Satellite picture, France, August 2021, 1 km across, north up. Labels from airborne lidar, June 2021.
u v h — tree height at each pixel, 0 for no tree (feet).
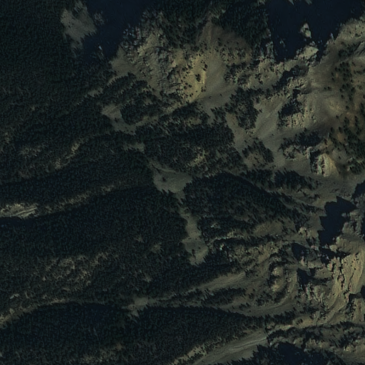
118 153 29
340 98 0
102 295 43
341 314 0
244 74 0
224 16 26
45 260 49
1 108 56
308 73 0
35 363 45
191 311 44
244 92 51
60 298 32
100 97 29
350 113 0
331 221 0
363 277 0
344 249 0
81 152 62
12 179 74
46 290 52
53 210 37
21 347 36
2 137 26
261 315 0
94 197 28
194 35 31
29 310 0
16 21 51
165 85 0
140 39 0
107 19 22
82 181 41
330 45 0
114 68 0
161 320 54
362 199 0
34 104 63
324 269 0
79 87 43
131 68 0
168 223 43
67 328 48
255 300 0
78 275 30
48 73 73
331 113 0
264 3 0
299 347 0
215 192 36
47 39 61
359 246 0
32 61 38
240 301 0
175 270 58
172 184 0
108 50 18
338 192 0
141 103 41
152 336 53
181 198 0
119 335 72
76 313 61
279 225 0
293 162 0
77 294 48
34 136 56
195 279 46
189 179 0
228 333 32
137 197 29
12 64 50
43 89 46
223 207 47
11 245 51
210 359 0
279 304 0
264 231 0
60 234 52
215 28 0
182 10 48
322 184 0
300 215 36
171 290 42
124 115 72
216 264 29
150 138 42
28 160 35
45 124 63
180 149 25
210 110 0
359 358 0
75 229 58
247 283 0
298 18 0
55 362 30
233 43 0
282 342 0
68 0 29
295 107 25
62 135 51
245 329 22
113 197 30
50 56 59
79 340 54
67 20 0
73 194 30
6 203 28
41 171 63
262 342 0
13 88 52
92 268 38
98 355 25
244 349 0
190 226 0
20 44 49
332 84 0
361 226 0
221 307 0
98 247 49
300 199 0
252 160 0
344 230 0
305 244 0
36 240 54
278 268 0
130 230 41
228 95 0
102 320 65
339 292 0
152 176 31
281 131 0
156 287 40
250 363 18
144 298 0
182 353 35
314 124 0
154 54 0
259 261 0
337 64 0
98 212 40
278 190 0
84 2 29
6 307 49
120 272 43
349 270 0
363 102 0
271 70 26
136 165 40
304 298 0
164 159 49
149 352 36
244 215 35
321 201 0
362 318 0
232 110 23
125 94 43
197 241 0
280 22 31
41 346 53
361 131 43
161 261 53
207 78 0
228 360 0
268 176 35
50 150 18
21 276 51
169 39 38
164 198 70
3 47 59
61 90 53
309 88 0
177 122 35
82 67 41
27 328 73
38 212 31
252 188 20
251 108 18
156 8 23
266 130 0
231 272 29
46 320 75
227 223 25
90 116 52
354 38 0
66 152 37
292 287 0
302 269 0
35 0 36
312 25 0
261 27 49
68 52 48
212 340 29
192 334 44
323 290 0
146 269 40
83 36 0
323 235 0
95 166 43
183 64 0
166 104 28
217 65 0
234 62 0
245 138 0
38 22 48
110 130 54
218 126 31
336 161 0
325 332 0
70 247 60
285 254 20
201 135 40
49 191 49
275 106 0
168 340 35
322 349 0
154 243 37
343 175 0
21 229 46
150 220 47
